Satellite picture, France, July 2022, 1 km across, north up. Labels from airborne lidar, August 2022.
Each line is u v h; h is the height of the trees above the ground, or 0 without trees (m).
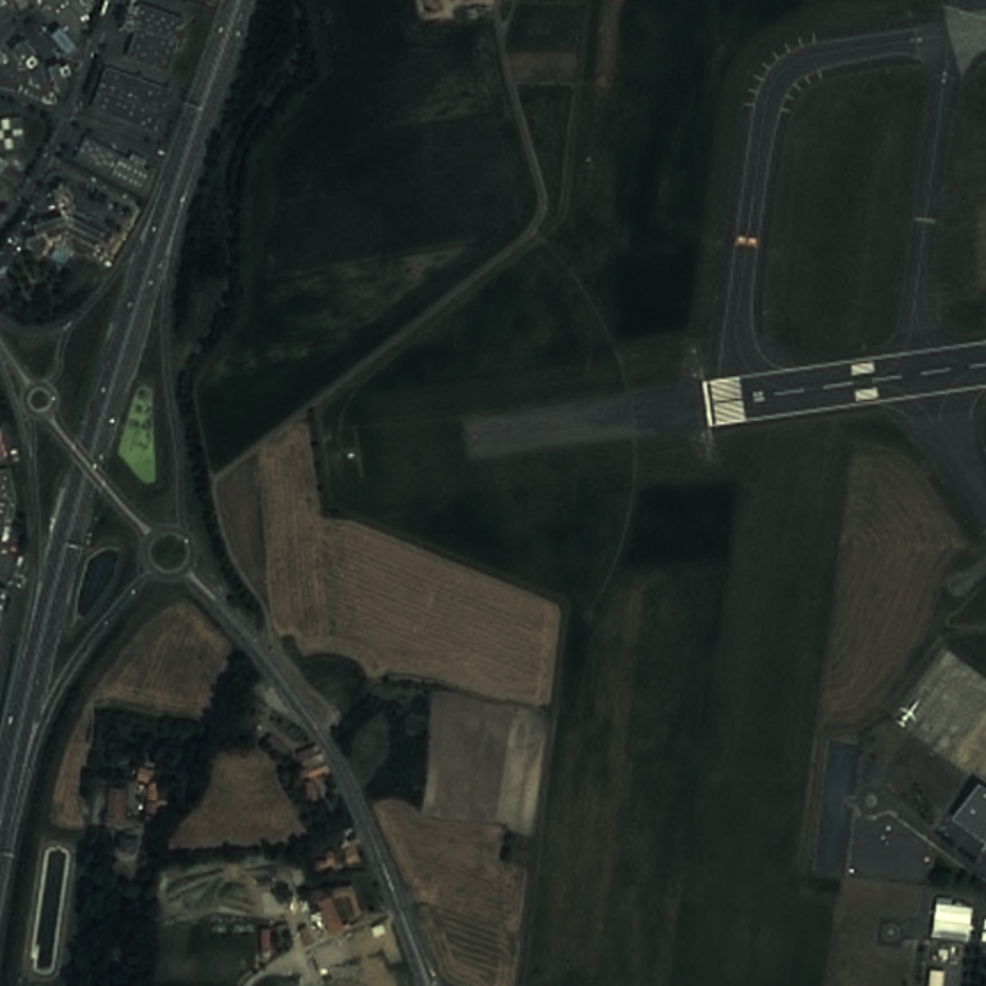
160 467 0
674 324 0
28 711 0
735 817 0
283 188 0
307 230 0
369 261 0
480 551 0
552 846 0
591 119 0
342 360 0
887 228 0
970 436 0
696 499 0
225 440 0
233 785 0
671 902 0
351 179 0
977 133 0
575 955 0
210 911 0
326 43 0
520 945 0
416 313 0
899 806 0
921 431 0
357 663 0
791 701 0
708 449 0
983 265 0
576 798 0
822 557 0
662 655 0
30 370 0
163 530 0
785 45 0
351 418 0
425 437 0
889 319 0
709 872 0
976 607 0
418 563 0
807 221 0
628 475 0
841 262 0
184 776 25
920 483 0
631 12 0
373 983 0
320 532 0
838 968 0
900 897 0
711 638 0
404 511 0
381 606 0
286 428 0
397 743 9
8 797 0
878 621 0
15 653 0
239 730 0
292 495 0
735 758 0
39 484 0
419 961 0
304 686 0
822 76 0
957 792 0
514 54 0
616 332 0
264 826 0
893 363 0
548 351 0
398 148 0
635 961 0
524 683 0
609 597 0
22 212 10
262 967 8
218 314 9
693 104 0
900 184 0
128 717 6
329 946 0
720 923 0
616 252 0
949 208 0
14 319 8
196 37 0
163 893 0
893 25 0
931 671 0
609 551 0
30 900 0
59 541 0
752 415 0
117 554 0
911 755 0
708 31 0
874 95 0
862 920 0
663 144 0
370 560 0
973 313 0
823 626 0
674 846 0
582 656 0
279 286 0
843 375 0
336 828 8
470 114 0
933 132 0
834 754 0
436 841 0
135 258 0
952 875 8
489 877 0
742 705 0
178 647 0
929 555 0
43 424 0
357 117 0
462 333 0
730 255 0
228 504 0
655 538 0
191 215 8
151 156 0
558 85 0
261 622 0
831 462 0
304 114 0
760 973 0
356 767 0
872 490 0
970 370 0
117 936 21
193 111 0
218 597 0
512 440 0
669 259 0
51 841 0
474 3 0
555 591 0
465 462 0
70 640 0
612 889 0
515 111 0
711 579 0
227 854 15
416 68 0
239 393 0
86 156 0
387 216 0
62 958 0
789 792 0
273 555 0
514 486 0
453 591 0
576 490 0
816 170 0
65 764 0
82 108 0
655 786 0
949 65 0
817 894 0
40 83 0
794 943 0
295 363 0
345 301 0
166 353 0
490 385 0
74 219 0
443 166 0
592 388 0
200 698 0
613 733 0
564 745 0
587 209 0
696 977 0
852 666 0
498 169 0
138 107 0
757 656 0
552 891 0
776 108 0
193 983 0
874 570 0
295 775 10
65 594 0
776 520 0
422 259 0
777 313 0
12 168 0
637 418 0
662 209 0
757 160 0
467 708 0
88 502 0
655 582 0
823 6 0
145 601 0
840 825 0
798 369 0
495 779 0
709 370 0
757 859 0
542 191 0
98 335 0
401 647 0
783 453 0
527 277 0
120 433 0
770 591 0
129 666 0
